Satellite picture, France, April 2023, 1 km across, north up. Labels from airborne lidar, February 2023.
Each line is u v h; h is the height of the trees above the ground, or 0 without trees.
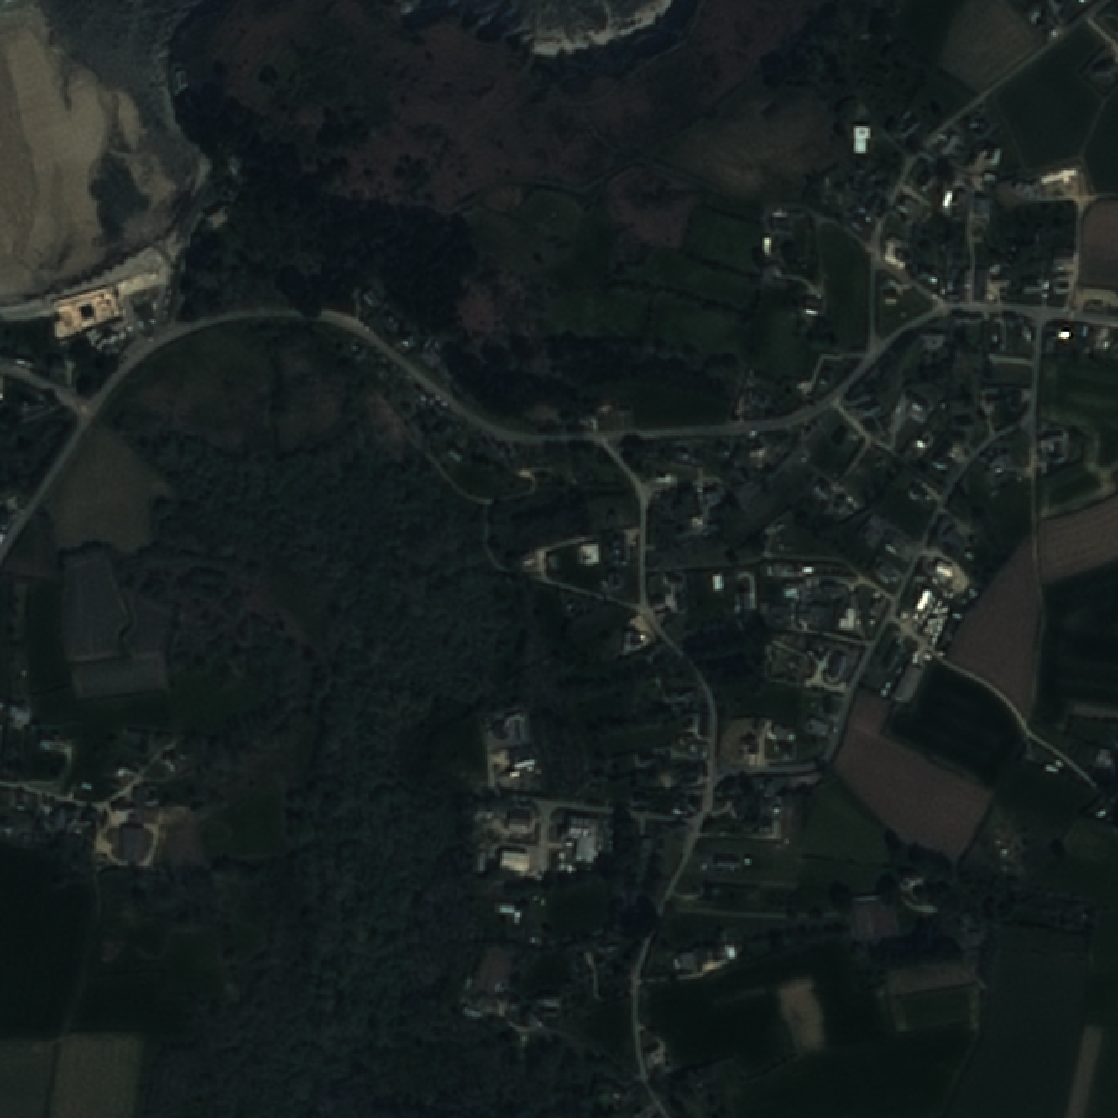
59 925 0
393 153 0
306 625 0
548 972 0
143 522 0
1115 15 0
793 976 0
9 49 0
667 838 0
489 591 6
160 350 0
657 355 13
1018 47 0
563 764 8
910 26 0
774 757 0
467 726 0
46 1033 0
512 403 23
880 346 0
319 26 0
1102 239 0
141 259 0
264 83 10
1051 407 0
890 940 0
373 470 7
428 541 24
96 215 0
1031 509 0
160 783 0
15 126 0
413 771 0
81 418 0
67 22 0
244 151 15
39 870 0
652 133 0
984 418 6
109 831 0
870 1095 0
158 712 0
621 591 0
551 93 0
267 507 8
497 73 0
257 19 0
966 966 0
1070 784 6
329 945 10
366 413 33
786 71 15
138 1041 0
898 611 0
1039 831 0
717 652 18
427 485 6
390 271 26
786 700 0
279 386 0
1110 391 0
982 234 7
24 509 0
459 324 6
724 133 0
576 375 14
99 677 0
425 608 10
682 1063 0
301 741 0
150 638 0
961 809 0
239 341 0
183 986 0
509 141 0
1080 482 0
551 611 0
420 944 18
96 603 0
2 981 0
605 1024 0
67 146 0
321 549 14
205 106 15
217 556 6
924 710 0
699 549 9
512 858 0
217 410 0
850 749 0
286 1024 10
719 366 12
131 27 0
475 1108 18
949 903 16
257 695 0
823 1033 0
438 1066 20
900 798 0
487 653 8
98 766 0
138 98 0
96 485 0
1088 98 0
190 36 0
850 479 0
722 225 0
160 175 0
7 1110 0
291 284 22
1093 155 0
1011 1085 0
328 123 9
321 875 26
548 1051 18
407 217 19
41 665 0
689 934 0
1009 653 0
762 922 0
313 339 12
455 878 17
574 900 0
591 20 0
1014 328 6
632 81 0
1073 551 0
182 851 0
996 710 0
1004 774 0
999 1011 0
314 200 19
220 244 15
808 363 0
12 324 0
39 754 0
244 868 7
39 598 0
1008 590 0
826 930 8
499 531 7
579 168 0
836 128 7
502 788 0
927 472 8
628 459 13
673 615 0
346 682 11
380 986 8
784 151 0
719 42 0
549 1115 20
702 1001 0
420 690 8
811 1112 0
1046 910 6
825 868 0
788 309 0
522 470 0
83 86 0
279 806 0
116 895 0
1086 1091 0
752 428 0
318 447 9
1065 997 0
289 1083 12
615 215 0
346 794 22
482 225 0
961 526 0
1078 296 0
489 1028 8
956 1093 0
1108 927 0
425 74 0
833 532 9
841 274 0
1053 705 0
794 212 0
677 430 0
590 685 7
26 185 0
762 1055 0
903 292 0
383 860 8
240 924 0
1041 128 0
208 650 10
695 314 0
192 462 7
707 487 0
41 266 0
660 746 0
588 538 7
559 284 0
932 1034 0
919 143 9
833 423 0
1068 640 0
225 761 11
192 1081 13
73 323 0
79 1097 0
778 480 0
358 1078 22
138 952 0
